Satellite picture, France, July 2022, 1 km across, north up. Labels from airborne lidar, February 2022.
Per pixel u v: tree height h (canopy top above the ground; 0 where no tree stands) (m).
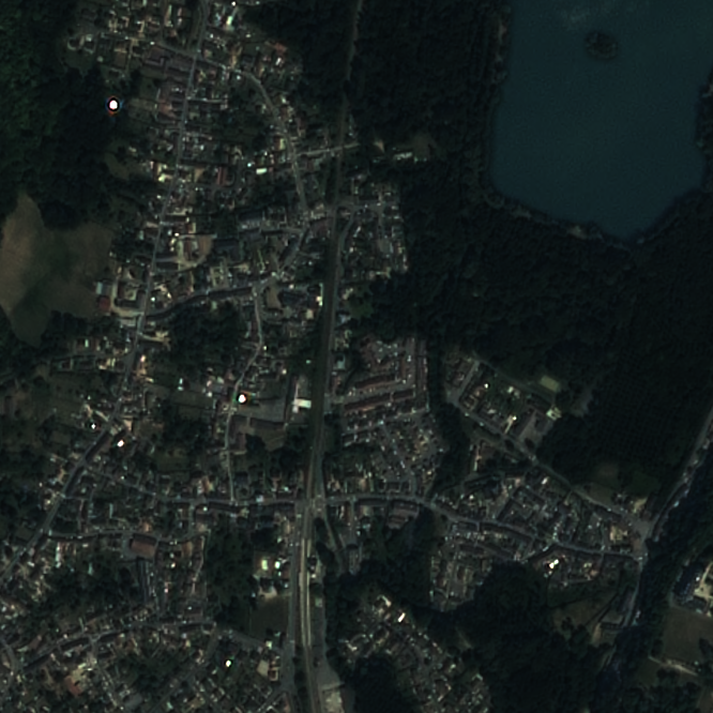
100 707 7
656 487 0
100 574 8
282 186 6
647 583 16
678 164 0
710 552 20
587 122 0
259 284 0
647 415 6
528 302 8
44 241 0
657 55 0
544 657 32
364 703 21
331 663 13
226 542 6
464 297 19
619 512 0
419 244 23
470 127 19
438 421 6
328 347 0
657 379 8
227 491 0
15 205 16
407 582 23
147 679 9
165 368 0
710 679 18
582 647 14
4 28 20
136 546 0
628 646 17
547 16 0
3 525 0
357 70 20
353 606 20
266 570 0
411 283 22
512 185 0
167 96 0
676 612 0
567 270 18
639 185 0
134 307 0
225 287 0
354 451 13
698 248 16
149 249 12
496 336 21
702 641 0
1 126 18
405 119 23
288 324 0
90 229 0
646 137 0
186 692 6
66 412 0
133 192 8
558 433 13
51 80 26
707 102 30
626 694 22
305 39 14
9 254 0
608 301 8
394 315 25
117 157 6
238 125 10
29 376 12
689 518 17
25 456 14
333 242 0
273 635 16
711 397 9
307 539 0
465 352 6
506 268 23
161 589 0
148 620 0
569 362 23
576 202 0
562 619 0
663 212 0
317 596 0
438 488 11
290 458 18
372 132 28
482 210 20
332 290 0
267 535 16
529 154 0
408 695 0
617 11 0
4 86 16
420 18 22
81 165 26
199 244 0
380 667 29
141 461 7
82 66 0
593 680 17
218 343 9
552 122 0
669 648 0
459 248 21
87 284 0
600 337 19
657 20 0
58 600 6
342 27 21
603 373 22
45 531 0
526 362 0
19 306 0
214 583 7
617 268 25
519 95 0
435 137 13
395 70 7
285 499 0
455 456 15
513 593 21
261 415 0
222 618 19
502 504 0
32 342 0
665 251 19
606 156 0
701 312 21
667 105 0
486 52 24
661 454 9
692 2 0
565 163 0
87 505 0
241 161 0
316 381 0
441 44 26
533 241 20
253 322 0
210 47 0
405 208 15
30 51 17
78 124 36
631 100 0
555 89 0
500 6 19
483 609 24
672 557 8
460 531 0
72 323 20
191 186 0
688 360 9
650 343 11
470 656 15
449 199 29
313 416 0
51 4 23
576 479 17
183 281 8
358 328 23
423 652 0
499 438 8
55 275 0
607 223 0
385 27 10
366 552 6
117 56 0
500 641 21
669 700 11
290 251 0
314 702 0
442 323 25
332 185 6
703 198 16
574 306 8
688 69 0
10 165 23
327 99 21
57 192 21
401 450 0
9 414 0
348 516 10
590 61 0
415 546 13
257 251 0
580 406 0
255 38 0
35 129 20
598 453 9
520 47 0
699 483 18
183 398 0
